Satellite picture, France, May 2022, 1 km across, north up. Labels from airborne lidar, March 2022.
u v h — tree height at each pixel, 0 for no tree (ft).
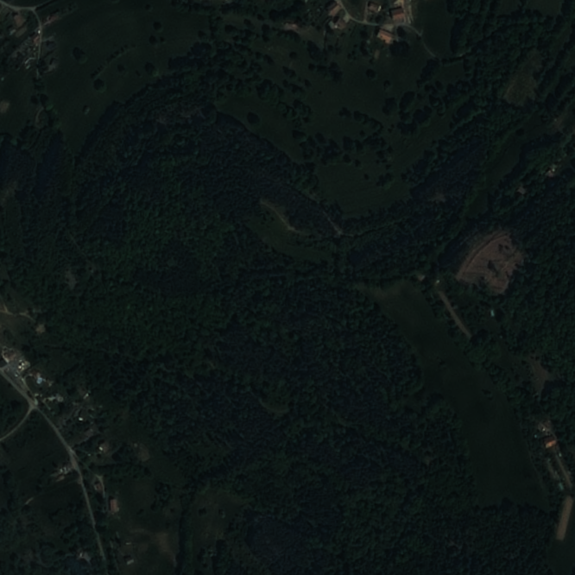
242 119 0
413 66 0
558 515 36
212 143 103
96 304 56
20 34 0
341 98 0
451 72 0
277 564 93
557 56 0
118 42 0
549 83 60
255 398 70
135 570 0
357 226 52
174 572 0
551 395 77
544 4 0
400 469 87
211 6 25
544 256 72
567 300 56
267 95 81
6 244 56
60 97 0
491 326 0
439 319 53
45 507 0
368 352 89
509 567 55
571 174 39
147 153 31
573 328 61
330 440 108
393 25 0
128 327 24
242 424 108
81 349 60
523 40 54
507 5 0
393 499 56
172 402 94
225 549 52
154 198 55
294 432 73
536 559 50
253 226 0
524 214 67
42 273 27
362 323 83
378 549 71
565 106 34
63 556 45
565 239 72
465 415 0
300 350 31
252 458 106
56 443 0
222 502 0
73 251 31
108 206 77
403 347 94
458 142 53
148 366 84
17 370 0
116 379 69
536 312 59
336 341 81
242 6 42
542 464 20
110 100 0
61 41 0
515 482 0
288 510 57
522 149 0
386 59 0
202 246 43
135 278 48
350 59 20
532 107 75
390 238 21
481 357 53
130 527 0
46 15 0
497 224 71
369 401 102
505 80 60
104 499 49
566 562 0
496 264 0
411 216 50
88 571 22
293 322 93
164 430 63
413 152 0
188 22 0
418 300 0
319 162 0
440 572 53
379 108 0
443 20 0
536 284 54
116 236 73
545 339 58
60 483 0
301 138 56
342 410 94
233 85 49
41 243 19
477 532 32
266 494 55
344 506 84
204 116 91
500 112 70
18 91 0
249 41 54
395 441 27
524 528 52
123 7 0
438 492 45
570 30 0
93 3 0
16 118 0
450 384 0
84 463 49
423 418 58
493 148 73
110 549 21
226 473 95
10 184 105
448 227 79
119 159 24
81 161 37
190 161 93
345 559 53
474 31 65
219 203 76
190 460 34
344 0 0
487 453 0
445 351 0
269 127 0
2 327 0
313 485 55
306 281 71
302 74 0
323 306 93
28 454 0
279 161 99
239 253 70
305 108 67
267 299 95
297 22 75
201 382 98
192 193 62
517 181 41
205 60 68
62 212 28
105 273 58
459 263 95
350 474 112
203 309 83
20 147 47
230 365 89
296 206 86
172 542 0
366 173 0
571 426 73
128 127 60
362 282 61
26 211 40
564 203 79
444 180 83
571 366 57
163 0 0
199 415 80
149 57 0
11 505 42
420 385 52
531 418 51
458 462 18
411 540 83
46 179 116
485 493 0
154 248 55
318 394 82
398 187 0
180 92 81
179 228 35
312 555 84
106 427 44
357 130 0
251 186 84
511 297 68
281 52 0
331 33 67
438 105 62
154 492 0
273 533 100
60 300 60
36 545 0
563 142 64
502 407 0
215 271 40
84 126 0
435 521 40
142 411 80
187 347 61
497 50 50
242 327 104
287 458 62
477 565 70
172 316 57
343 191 0
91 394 28
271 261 76
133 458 44
